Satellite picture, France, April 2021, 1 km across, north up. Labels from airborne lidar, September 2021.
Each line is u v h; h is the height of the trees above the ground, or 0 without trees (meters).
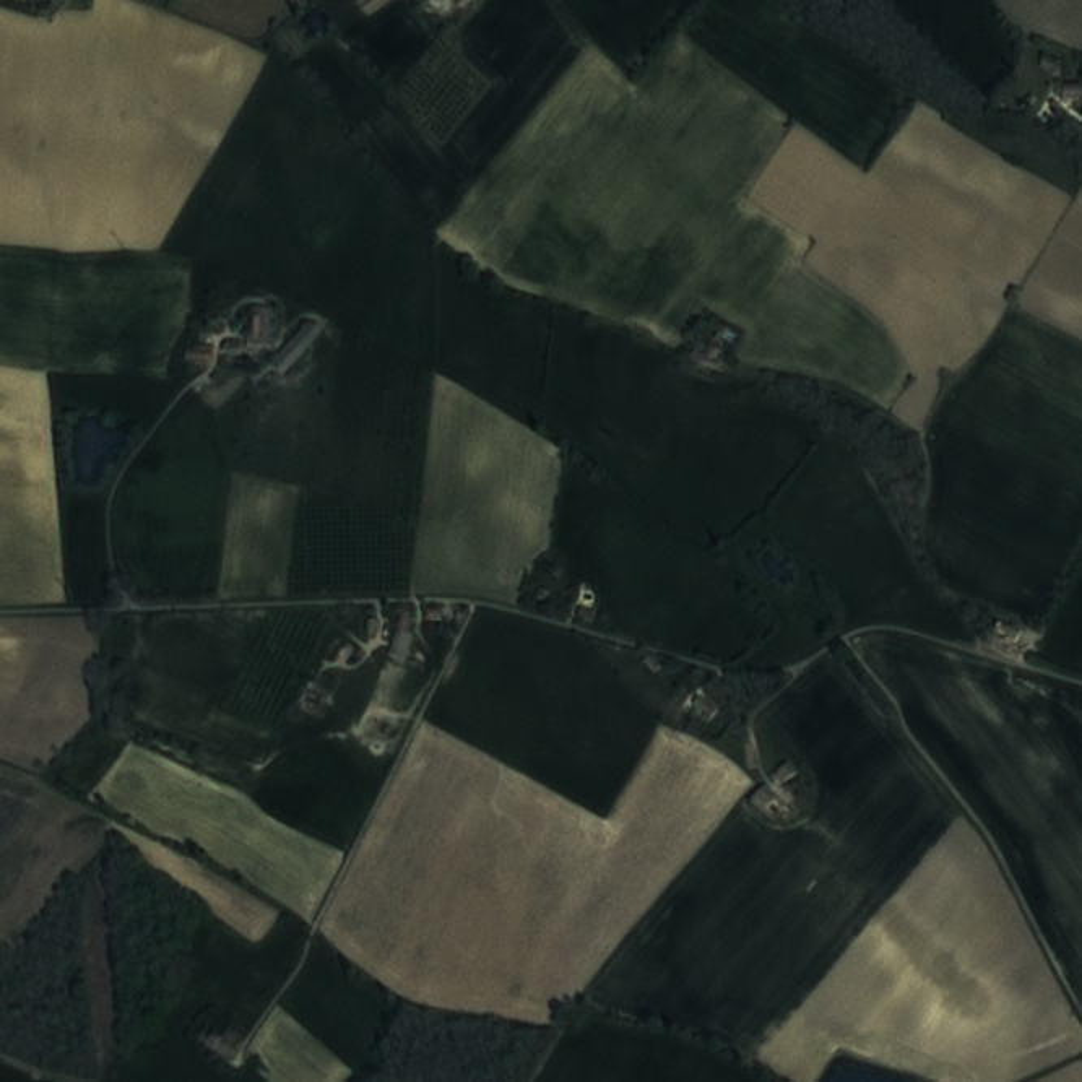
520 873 0
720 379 9
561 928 0
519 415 0
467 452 0
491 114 0
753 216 0
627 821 0
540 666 0
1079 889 0
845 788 0
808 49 0
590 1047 0
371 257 0
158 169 0
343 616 8
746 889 0
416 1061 20
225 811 0
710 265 0
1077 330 0
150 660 0
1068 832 0
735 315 0
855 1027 0
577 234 0
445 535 0
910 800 0
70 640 0
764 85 0
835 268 0
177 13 0
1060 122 13
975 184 0
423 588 0
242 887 18
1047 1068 0
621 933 0
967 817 0
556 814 0
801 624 0
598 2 0
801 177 0
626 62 0
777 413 0
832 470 0
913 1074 0
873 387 0
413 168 0
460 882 0
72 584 0
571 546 0
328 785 0
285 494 0
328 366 0
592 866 0
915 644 0
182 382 0
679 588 0
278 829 0
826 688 0
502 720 0
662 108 0
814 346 0
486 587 0
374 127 0
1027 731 0
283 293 0
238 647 0
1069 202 0
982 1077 0
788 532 0
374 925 0
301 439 0
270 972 0
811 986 0
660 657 6
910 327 0
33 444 0
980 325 0
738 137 0
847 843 0
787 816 0
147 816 0
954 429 0
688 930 0
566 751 0
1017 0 0
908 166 0
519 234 0
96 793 0
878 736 0
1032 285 0
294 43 10
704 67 0
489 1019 10
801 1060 0
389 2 0
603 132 0
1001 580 0
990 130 0
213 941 0
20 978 17
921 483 11
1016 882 0
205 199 0
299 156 0
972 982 0
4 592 0
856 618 0
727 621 0
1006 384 0
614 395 0
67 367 0
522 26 0
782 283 0
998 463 0
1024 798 0
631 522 0
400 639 0
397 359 0
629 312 0
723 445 0
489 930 0
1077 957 0
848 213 0
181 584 0
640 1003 0
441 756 0
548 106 0
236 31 0
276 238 0
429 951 0
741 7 0
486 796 0
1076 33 0
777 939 0
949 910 0
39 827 0
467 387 0
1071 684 0
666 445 0
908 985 0
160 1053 0
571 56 0
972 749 0
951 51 0
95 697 23
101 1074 10
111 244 0
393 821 0
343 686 0
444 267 0
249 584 0
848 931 0
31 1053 13
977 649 0
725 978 0
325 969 0
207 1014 11
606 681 0
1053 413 0
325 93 11
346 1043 0
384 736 0
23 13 0
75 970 11
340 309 0
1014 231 0
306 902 0
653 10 0
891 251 0
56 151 0
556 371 0
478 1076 19
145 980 20
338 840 0
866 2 20
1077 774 0
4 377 0
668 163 0
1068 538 0
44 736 0
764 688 22
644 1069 0
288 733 0
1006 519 0
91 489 6
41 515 0
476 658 0
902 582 0
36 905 0
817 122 0
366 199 0
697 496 0
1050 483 0
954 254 0
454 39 0
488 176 0
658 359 0
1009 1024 0
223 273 0
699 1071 0
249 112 0
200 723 0
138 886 17
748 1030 0
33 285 0
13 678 0
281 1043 0
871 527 0
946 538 0
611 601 0
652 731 0
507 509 0
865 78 0
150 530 0
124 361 0
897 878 0
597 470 22
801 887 0
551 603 12
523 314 0
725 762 0
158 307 0
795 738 0
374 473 0
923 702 0
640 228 0
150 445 0
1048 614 13
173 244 0
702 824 0
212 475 0
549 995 0
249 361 9
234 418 0
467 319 0
